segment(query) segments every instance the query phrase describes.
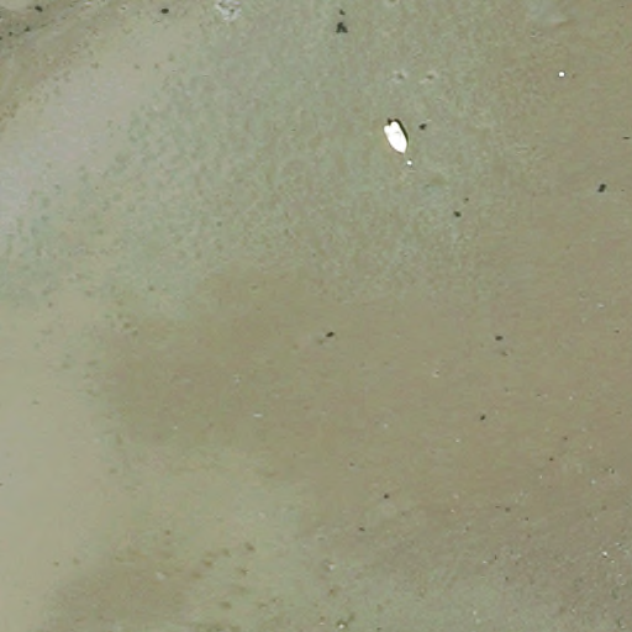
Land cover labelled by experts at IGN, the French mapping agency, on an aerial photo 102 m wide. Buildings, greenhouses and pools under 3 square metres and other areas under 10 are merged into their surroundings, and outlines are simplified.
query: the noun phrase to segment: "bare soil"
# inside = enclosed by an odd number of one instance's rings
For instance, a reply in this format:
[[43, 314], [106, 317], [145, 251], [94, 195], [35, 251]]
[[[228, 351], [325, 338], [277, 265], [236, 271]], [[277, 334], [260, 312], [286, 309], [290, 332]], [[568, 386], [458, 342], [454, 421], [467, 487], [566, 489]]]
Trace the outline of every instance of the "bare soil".
[[632, 0], [0, 0], [0, 632], [632, 632]]

